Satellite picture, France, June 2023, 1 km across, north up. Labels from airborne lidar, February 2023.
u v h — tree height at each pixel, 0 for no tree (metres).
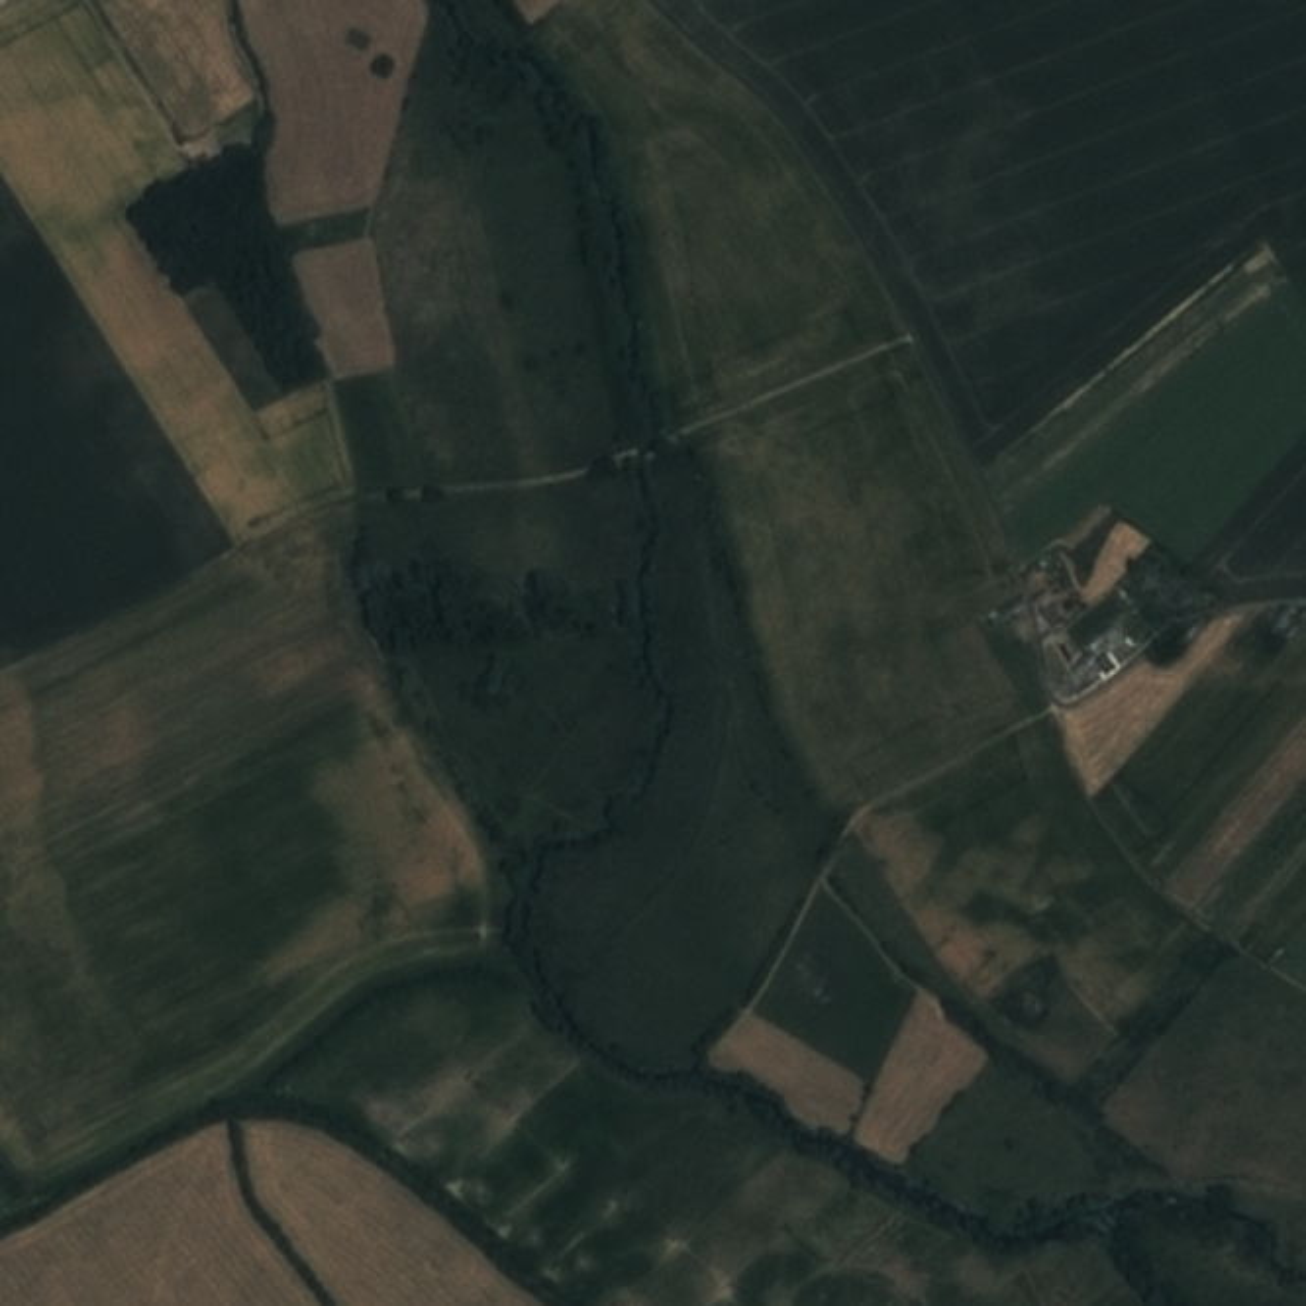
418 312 0
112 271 0
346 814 0
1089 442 0
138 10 0
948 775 0
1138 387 0
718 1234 0
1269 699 0
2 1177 0
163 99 0
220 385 0
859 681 0
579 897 0
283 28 0
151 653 0
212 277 14
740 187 0
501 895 0
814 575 0
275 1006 0
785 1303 0
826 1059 0
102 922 0
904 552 0
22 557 0
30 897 0
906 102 0
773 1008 0
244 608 0
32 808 0
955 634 0
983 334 0
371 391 0
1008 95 0
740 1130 0
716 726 0
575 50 0
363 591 23
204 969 0
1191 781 0
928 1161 0
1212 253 0
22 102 0
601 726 0
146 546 0
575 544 0
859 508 0
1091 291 0
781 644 0
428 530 0
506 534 0
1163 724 0
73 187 0
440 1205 8
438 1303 0
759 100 0
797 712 0
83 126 0
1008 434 0
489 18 0
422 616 5
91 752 0
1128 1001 0
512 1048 0
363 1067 0
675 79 0
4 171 0
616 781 0
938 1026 0
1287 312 0
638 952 0
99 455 0
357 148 0
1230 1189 7
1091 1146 0
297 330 16
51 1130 0
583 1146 0
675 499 0
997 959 0
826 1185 0
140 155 0
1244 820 0
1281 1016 0
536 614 8
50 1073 0
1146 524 0
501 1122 0
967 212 0
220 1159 0
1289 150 0
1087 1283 0
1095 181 0
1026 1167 0
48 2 0
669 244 0
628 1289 0
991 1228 15
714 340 0
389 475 0
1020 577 0
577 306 0
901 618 0
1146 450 0
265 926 0
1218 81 0
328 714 0
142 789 0
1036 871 0
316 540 0
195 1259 0
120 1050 0
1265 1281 0
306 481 0
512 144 0
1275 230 0
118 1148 0
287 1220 0
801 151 0
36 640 0
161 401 0
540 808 0
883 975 0
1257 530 0
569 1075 0
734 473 0
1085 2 0
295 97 0
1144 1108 0
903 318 0
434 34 0
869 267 0
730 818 0
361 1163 0
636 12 0
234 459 0
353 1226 0
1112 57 0
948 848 0
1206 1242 0
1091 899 0
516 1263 8
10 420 0
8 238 0
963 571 0
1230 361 0
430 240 0
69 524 0
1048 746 0
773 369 0
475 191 0
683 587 0
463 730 0
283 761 0
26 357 0
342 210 0
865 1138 0
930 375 0
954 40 0
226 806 0
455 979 8
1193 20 0
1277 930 0
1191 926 0
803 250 0
